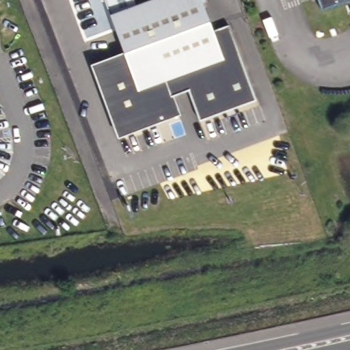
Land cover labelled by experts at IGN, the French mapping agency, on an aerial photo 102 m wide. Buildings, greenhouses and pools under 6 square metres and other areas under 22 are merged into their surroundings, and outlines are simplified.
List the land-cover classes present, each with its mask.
<instances>
[{"label":"herbaceous vegetation","instance_id":"1","mask_svg":"<svg viewBox=\"0 0 350 350\"><path fill-rule=\"evenodd\" d=\"M0 16L14 22L18 27L21 38L15 42L16 48L25 52L26 66L33 74L31 81L34 83V89L38 90L36 98H40L41 104L44 105L51 130V160L45 172L44 182L38 189L40 191L34 197V201H27L29 194L22 191L16 206L18 212H5L0 216V288H27L34 279L56 287L60 282H66L70 276H83L89 280L90 275L100 269L109 268L113 272L120 265L144 264L146 261L159 264L175 260L183 250H202L196 257L202 265L200 268L133 279L127 283L115 282L89 290H77L74 294L78 298L72 302H64L66 295H49L26 301H0V350H168L350 312V250L342 253V249L324 247V243L339 242L343 232L350 231V131L347 134L338 133L331 124L343 113H350V94L321 93L319 87L295 78L276 56L269 38L265 44H258V52L264 60V66L267 67L287 129V133L280 137V141L287 142L290 146L287 156L282 160L287 165L286 185H279L272 178H265L262 182L256 180L238 183L237 186H226L223 189H211L201 194L193 193L191 196L176 198H168L161 189L137 191L131 200H126L123 196L113 202L122 226L109 228L107 219L101 213L100 206L93 196L83 165L74 160L75 153L78 152L77 146L64 120L62 109L57 103L55 89L46 74L19 0H0ZM310 31H321L324 33L323 37L327 38L331 37V29L342 33L350 27V8L340 4L324 10L314 0H312L301 4Z\"/></svg>","mask_w":350,"mask_h":350},{"label":"impervious surface","instance_id":"2","mask_svg":"<svg viewBox=\"0 0 350 350\"><path fill-rule=\"evenodd\" d=\"M46 74L55 89L57 103L62 109L64 120L77 146L78 152L75 153L74 160L83 165L93 196L100 206L101 213L107 219L109 228L122 226L113 202L123 196L126 200H131L137 191L161 189L168 198H176L191 196L193 193L201 194L211 189H223L226 186H237L238 183L256 180L262 182L265 178H272L279 185H286L287 165L282 160L287 156L290 146L287 142L280 141V137L287 133V129L267 67L264 66V60L258 52V44L253 31L250 30L249 16L241 0H205L206 14L216 36L227 30L232 45H239L241 48L257 100L202 118L191 89L174 94L170 83L164 82L168 97L174 100L176 116L164 122L141 127L134 133L119 135L116 124L108 126L92 77L87 70V64L123 52L112 15L107 12V0H19ZM312 0H256L260 18L264 19L269 38L276 56L295 78L319 87L321 93L350 94V27L342 33L331 29V37L327 38L323 37L324 33L321 31H310L301 4ZM21 38L18 27L14 22L0 16V216L5 212H18L16 206L22 191L29 194L27 201H34V197L40 191L38 189L44 182L45 172L51 160V130L44 105L41 104L40 98H36L38 90L34 89V83L31 81L33 74L26 66L25 52L16 48L15 42ZM168 350H350V312Z\"/></svg>","mask_w":350,"mask_h":350},{"label":"building","instance_id":"3","mask_svg":"<svg viewBox=\"0 0 350 350\"><path fill-rule=\"evenodd\" d=\"M107 12L112 15L123 52L87 64V70L92 77L108 126L116 124L119 135L134 133L141 127L164 122L176 116L174 100L168 97L164 82L170 83L174 94L191 89L202 118L257 100L241 48L239 45H232L227 30L216 36L206 14L205 0H107ZM324 10L340 4L350 8V0H314Z\"/></svg>","mask_w":350,"mask_h":350},{"label":"brushwood","instance_id":"4","mask_svg":"<svg viewBox=\"0 0 350 350\"><path fill-rule=\"evenodd\" d=\"M249 16L250 30L253 31L258 44H265L269 38L264 19L260 18L256 0H241ZM338 133L347 134L350 131V113H343L331 124ZM324 247L342 249V253L350 250V231L343 232L339 242L324 243ZM202 250H183L175 260L159 264L146 261L144 264L120 265L113 272L109 268L100 269L90 275L89 280L83 276H70L66 282H60L56 287L34 279L27 288H0V301H26L49 295H66L64 302H72L78 298L74 294L77 290H89L115 282L127 283L133 279L200 268L202 265L196 257Z\"/></svg>","mask_w":350,"mask_h":350}]
</instances>
